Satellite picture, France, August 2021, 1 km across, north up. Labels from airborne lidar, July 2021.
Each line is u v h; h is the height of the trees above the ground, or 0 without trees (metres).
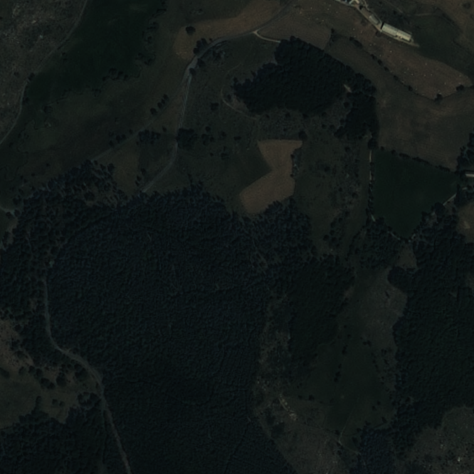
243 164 0
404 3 0
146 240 17
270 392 0
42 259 12
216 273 20
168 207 17
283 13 0
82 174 14
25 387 0
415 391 12
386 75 0
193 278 15
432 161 0
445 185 0
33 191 8
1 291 13
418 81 0
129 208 11
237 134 0
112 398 13
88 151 0
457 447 0
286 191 0
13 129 0
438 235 14
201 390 13
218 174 0
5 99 0
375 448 17
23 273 12
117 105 0
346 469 0
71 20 0
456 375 15
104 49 0
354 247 10
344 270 11
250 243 14
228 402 11
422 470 0
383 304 0
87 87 0
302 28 0
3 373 8
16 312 15
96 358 10
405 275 14
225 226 17
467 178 11
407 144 0
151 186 0
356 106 10
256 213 0
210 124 0
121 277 17
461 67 0
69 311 13
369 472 10
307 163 0
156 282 16
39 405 7
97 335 10
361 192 0
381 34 0
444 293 16
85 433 19
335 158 0
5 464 16
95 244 13
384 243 12
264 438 13
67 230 9
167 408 15
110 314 14
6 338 0
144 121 0
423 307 14
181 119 0
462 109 0
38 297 10
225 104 0
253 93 16
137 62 0
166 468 12
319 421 0
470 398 14
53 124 0
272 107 11
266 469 16
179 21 0
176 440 12
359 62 0
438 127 0
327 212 0
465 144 0
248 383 17
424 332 15
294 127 0
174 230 17
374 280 0
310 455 0
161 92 0
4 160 0
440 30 0
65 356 9
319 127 0
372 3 0
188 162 0
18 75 8
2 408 0
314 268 15
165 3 8
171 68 0
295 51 14
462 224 0
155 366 15
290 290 12
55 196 10
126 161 0
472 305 12
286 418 0
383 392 0
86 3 0
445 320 10
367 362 0
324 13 0
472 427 0
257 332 16
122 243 21
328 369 0
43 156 0
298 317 14
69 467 11
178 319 13
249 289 17
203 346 13
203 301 13
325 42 0
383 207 0
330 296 12
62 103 0
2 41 0
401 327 15
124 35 0
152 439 13
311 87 13
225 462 13
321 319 15
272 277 13
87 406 14
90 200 11
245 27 0
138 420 12
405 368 7
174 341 14
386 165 0
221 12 0
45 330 14
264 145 0
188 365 13
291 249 14
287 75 13
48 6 0
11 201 0
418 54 0
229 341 19
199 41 0
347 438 0
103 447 12
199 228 14
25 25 0
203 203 15
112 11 0
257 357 14
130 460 16
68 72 0
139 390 13
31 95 0
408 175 0
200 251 15
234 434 12
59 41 0
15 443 12
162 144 0
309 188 0
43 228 10
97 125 0
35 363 10
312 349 15
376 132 12
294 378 10
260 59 0
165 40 0
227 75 0
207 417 14
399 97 0
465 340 13
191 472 10
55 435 12
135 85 0
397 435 10
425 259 10
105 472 0
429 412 19
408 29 0
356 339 0
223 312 16
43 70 0
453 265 10
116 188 10
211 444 16
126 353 9
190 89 0
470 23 0
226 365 18
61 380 14
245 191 0
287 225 16
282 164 0
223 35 0
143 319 14
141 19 0
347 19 0
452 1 0
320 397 0
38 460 12
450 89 0
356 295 0
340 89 12
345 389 0
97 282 18
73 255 11
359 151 0
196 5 0
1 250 0
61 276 9
